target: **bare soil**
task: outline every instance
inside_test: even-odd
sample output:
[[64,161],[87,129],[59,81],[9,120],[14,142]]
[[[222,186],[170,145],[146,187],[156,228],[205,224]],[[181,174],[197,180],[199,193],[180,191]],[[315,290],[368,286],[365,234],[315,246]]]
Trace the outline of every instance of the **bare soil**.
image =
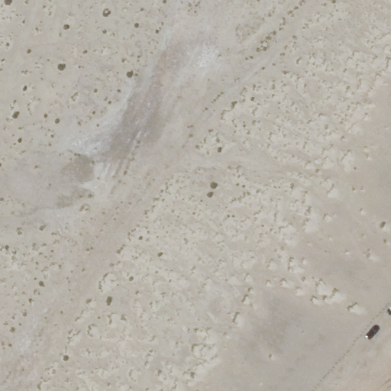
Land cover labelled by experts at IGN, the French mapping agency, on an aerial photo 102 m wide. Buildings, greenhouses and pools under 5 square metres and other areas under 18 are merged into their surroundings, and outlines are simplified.
[[391,391],[391,0],[0,0],[0,391]]

